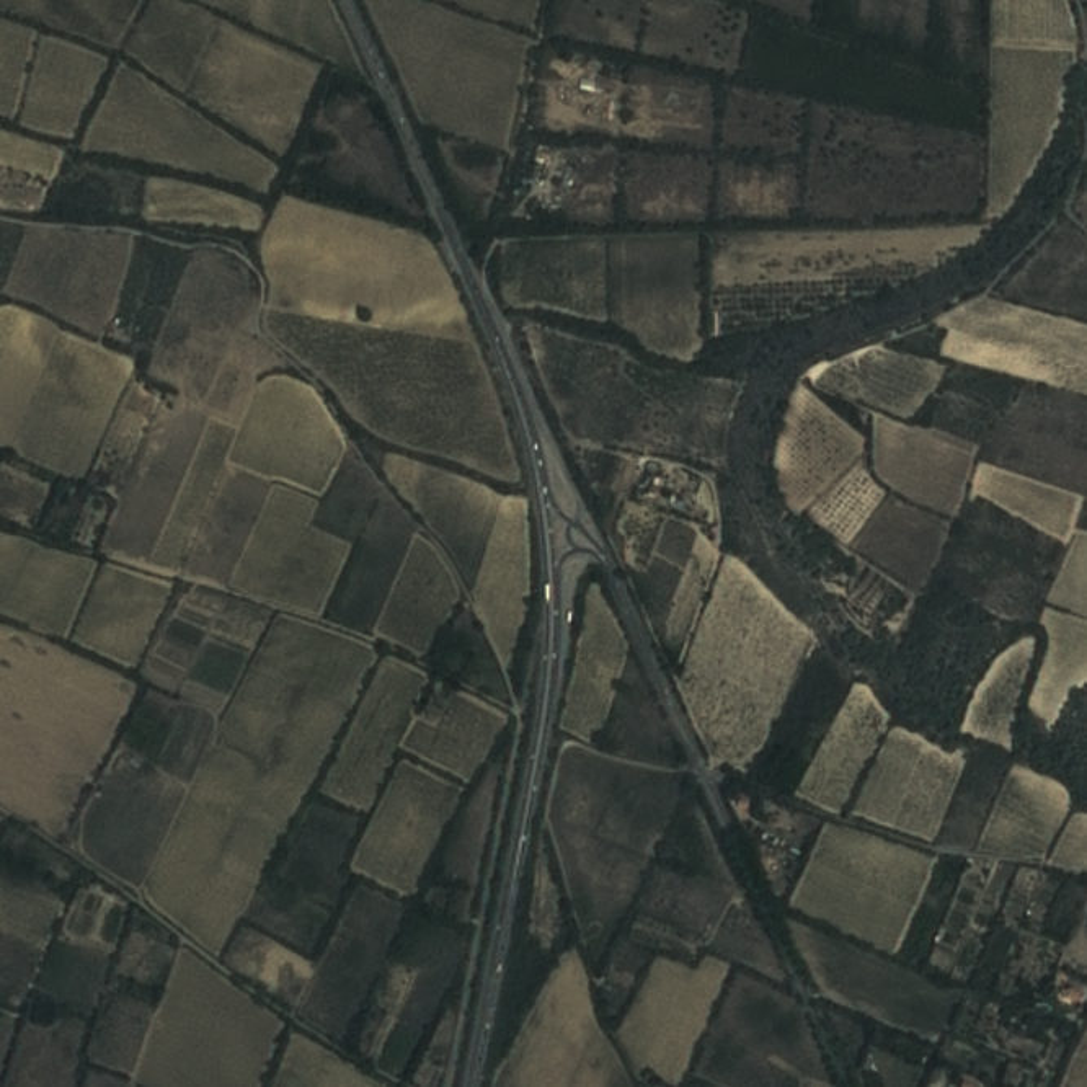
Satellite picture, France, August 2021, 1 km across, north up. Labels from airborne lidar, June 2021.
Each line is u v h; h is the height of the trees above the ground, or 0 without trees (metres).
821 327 0
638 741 0
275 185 8
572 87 0
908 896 0
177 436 0
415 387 0
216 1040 0
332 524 0
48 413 0
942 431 0
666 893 0
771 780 10
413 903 9
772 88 7
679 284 0
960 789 0
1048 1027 6
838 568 5
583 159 0
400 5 0
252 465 0
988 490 0
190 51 0
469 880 0
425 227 8
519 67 0
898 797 0
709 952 6
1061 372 0
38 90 0
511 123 0
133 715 8
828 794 0
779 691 0
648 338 0
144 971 0
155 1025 0
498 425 0
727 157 6
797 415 0
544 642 0
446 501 0
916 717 7
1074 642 0
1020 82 0
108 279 0
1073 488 0
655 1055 0
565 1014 0
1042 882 0
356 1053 11
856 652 8
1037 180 5
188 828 0
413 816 0
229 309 0
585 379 0
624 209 8
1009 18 0
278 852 7
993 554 0
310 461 0
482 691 6
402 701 0
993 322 0
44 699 0
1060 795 0
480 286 0
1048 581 6
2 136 0
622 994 0
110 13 0
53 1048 0
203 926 0
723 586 0
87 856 0
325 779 6
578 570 0
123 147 0
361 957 0
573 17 0
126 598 0
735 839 21
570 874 0
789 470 0
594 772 0
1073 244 0
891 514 0
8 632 0
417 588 0
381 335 0
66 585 0
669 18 0
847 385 0
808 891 0
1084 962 0
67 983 0
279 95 0
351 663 0
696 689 0
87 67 0
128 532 0
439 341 0
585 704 0
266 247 0
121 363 0
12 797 0
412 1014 0
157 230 7
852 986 0
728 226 7
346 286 0
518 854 0
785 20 9
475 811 0
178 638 0
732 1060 0
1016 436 0
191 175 7
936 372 0
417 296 0
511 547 0
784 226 7
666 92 0
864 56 6
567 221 8
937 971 6
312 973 0
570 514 0
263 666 0
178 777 0
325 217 0
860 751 0
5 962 0
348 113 0
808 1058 0
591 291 0
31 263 0
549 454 0
